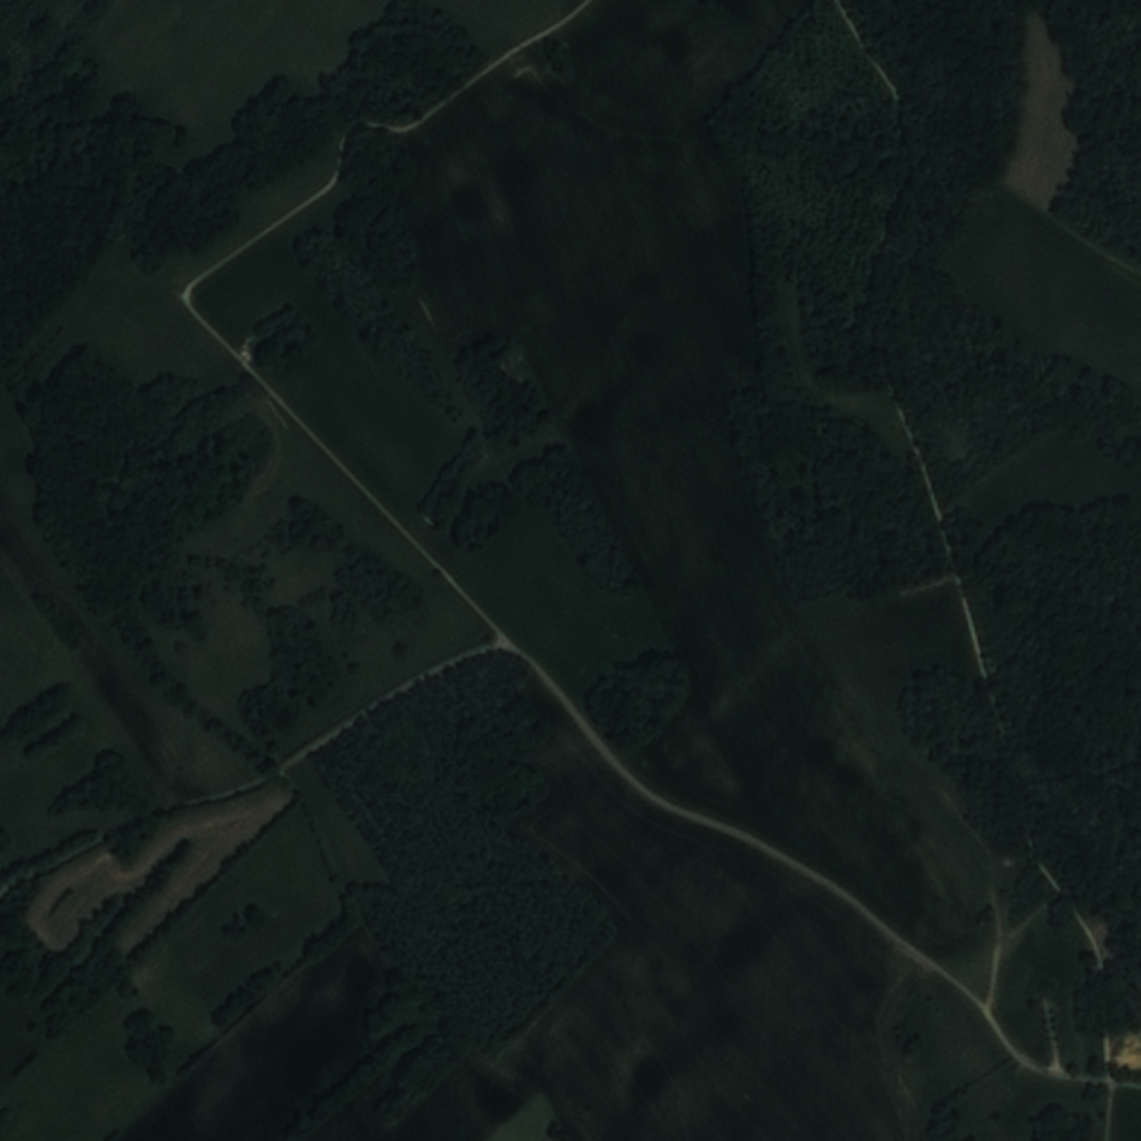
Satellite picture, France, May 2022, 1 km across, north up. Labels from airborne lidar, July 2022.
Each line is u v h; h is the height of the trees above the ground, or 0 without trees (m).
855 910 0
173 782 0
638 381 0
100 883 0
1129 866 22
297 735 0
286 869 0
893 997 0
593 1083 0
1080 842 23
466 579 0
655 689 22
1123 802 23
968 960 0
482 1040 10
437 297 0
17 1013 0
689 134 0
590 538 6
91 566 19
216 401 10
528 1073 0
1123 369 0
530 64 0
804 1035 0
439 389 12
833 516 14
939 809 0
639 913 0
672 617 0
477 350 15
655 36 0
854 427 16
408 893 14
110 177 21
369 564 13
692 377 0
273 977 10
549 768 0
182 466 17
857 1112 0
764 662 0
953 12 25
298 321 8
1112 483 0
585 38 0
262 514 0
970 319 17
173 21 0
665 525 0
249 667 0
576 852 0
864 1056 0
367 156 20
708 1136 0
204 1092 0
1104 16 21
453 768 15
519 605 0
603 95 0
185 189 22
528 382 7
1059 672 12
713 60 0
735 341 0
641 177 0
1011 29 24
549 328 0
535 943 22
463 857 20
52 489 17
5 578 0
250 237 0
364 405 0
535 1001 8
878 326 18
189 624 14
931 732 19
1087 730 12
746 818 0
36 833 0
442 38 12
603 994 0
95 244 20
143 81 0
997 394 12
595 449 0
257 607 9
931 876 0
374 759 15
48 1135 0
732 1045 0
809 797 0
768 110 14
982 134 26
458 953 24
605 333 0
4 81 9
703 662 0
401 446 0
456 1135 0
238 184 18
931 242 18
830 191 5
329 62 0
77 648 6
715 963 0
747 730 0
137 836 11
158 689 13
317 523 13
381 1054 14
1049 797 17
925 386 15
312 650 17
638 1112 0
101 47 0
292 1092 0
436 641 0
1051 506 12
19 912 12
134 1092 0
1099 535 13
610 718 22
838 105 6
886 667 0
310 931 0
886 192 16
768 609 0
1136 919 13
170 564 7
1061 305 0
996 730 10
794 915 0
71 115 21
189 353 0
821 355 18
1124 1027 14
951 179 22
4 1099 0
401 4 9
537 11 0
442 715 10
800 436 21
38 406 21
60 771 0
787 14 0
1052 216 9
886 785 0
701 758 0
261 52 0
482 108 0
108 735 0
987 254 0
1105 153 16
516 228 0
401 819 13
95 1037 0
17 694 0
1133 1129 0
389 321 17
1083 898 11
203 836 0
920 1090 0
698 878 0
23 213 25
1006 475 0
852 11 10
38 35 13
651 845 0
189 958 0
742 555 0
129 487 19
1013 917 6
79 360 16
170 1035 14
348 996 0
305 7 0
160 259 9
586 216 0
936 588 0
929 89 24
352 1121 0
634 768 0
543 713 0
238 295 0
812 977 0
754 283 14
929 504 6
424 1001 10
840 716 0
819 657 0
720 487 0
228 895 0
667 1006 0
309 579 0
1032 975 0
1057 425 18
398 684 0
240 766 0
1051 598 18
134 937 0
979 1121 0
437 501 11
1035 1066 0
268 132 22
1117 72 24
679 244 0
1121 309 0
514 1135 0
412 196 0
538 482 14
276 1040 0
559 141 0
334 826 0
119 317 0
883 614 0
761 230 8
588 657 0
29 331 19
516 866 21
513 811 12
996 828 8
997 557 8
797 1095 0
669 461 0
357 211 16
